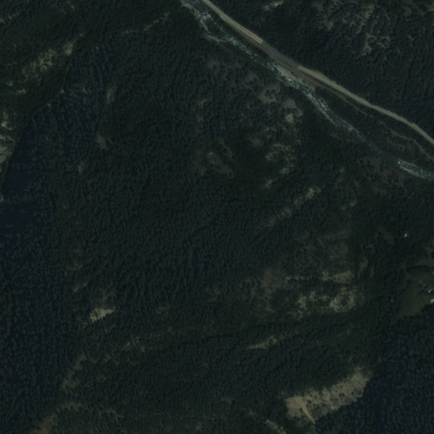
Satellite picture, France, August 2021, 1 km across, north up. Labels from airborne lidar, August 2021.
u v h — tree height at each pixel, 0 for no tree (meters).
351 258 6
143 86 29
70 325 26
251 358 13
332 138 9
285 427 10
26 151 9
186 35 19
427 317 12
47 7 10
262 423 12
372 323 7
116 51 17
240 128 10
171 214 12
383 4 15
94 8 18
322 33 18
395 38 20
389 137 9
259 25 12
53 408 24
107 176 31
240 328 13
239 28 0
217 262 28
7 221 21
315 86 0
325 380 8
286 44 12
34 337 37
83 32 10
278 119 16
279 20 10
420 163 9
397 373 10
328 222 19
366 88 20
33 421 21
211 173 14
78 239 12
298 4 7
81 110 16
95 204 23
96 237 26
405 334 8
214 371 23
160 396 16
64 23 13
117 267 17
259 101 14
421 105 30
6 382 24
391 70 24
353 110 17
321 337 14
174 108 14
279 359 15
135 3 15
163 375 16
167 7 11
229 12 18
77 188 19
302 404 0
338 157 10
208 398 10
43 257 31
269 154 7
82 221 8
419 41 24
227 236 23
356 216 12
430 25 19
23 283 34
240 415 9
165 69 15
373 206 13
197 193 24
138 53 22
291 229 14
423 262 0
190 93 14
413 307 0
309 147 12
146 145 23
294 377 24
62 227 10
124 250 30
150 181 9
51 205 28
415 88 20
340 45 27
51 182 20
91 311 8
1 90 12
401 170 8
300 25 14
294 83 0
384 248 14
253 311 6
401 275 13
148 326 12
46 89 9
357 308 14
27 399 35
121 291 21
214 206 30
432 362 12
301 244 10
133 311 15
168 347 6
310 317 8
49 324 32
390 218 19
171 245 30
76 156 9
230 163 8
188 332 10
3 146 10
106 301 6
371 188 8
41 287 28
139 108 10
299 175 17
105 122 9
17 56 16
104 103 16
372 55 10
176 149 11
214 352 20
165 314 10
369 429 17
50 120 20
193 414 6
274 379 30
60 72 12
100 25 16
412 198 9
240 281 20
